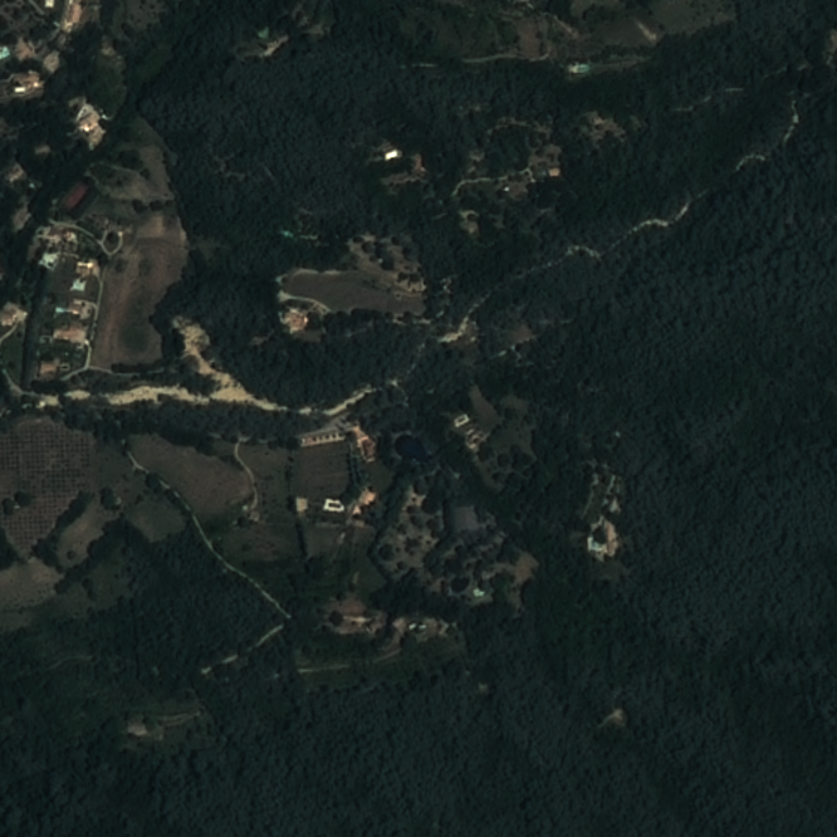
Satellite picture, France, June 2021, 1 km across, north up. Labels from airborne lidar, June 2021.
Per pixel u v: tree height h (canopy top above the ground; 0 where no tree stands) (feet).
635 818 39
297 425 51
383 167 52
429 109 52
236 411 53
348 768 60
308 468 0
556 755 38
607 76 32
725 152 22
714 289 83
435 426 50
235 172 35
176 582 33
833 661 52
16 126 32
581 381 29
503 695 52
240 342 75
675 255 60
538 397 39
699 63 56
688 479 56
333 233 46
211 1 30
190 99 58
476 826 44
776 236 76
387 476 0
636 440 64
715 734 46
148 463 0
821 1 52
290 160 60
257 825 70
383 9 34
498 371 21
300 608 65
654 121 62
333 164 63
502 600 35
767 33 77
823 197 44
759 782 65
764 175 21
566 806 44
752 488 78
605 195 37
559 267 64
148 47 22
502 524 39
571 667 67
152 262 0
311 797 44
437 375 66
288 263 55
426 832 24
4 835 28
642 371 34
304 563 30
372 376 49
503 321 43
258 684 41
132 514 0
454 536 54
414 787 65
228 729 62
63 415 40
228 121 63
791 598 69
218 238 44
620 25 0
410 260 61
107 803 30
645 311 29
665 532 53
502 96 62
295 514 21
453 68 25
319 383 57
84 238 23
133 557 39
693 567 52
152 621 45
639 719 55
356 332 58
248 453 0
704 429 63
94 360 0
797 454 62
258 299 45
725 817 42
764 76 75
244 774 79
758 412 34
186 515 26
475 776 54
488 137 32
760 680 63
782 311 37
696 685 51
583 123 50
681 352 45
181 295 40
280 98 52
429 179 23
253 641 36
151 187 0
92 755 33
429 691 60
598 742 52
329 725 48
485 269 39
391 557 48
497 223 27
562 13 59
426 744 69
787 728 46
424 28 26
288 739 48
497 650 56
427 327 56
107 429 55
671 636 59
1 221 51
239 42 51
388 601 30
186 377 47
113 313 0
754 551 70
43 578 0
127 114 36
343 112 36
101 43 31
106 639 31
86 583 33
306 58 65
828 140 46
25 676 23
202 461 0
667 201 65
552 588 49
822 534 62
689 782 64
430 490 39
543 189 56
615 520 49
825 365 42
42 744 32
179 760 67
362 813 58
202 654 40
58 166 50
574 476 47
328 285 0
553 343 47
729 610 63
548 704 48
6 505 39
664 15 0
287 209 75
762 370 22
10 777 52
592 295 71
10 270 36
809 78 45
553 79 41
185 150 53
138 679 33
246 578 26
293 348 55
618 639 48
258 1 51
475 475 39
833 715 36
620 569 0
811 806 44
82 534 0
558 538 33
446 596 30
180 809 64
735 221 71
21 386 29
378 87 57
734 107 63
